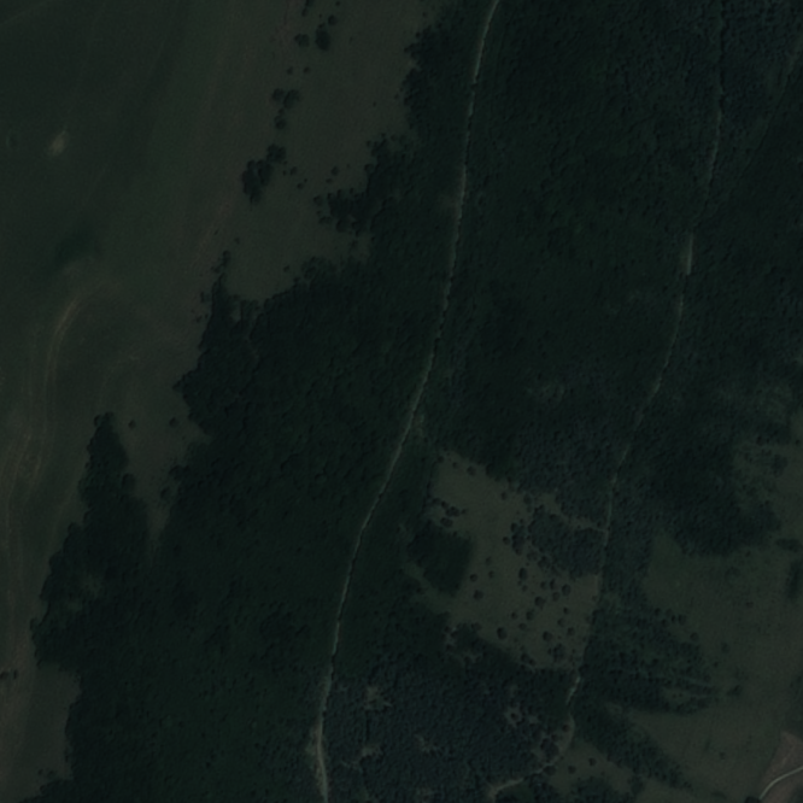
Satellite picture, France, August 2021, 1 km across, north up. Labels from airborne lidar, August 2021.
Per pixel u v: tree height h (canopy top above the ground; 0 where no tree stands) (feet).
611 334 23
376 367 21
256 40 0
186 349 0
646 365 30
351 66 0
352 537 22
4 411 0
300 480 69
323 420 47
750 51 71
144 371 0
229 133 0
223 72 0
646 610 22
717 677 0
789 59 62
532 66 58
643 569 31
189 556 22
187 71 0
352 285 19
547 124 22
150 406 0
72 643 51
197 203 0
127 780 65
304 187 27
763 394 25
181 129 0
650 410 31
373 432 21
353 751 28
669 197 20
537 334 23
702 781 0
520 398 22
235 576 40
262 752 18
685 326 21
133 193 0
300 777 34
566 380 30
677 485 43
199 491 51
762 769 0
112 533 46
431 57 52
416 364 41
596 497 21
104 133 0
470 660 31
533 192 34
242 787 17
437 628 28
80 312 0
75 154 0
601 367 23
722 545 38
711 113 41
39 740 0
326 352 48
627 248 27
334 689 28
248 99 0
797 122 32
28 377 0
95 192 0
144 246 0
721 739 0
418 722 65
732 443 26
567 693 34
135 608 63
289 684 28
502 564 0
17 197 0
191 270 0
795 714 0
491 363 27
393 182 39
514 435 45
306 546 20
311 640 47
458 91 37
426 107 34
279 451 62
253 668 26
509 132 22
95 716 55
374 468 25
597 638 32
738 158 23
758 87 73
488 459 25
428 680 74
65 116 0
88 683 47
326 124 0
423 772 73
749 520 24
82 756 47
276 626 59
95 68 0
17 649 0
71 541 41
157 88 0
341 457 24
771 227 27
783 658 0
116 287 0
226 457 23
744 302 28
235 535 21
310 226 0
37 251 0
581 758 0
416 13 0
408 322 43
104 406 0
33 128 0
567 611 41
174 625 43
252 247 0
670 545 0
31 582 0
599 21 33
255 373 43
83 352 0
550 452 34
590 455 48
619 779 0
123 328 0
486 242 20
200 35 0
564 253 53
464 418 25
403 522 21
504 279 22
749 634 0
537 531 35
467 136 31
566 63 61
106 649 56
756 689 0
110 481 45
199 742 18
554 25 29
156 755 46
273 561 19
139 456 0
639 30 21
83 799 60
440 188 19
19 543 0
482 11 29
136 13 0
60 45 0
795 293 56
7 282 0
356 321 46
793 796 0
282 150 27
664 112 45
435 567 33
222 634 56
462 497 0
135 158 0
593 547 44
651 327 25
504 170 18
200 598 22
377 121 0
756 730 0
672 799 0
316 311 59
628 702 41
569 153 64
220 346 56
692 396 25
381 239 21
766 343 34
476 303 18
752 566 0
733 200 26
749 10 60
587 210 60
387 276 45
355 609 24
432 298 31
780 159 26
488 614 0
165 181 0
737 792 0
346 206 40
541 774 27
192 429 0
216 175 0
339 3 26
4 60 0
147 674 55
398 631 40
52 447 0
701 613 0
